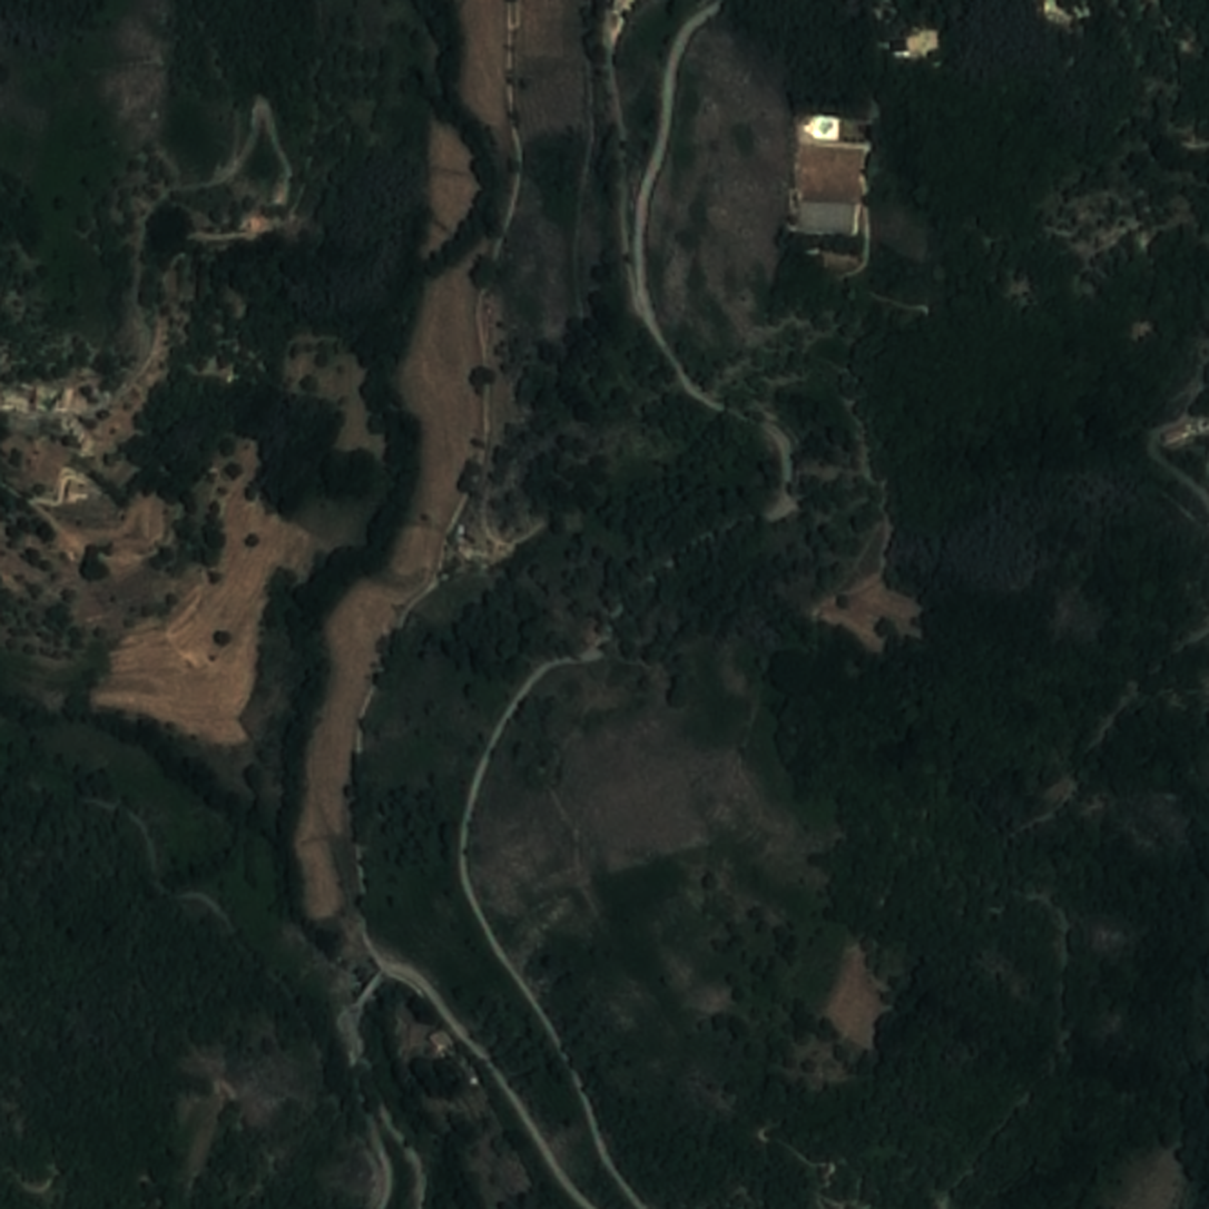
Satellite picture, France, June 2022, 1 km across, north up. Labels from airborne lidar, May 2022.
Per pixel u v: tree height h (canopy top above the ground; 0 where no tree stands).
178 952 14
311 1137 8
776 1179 11
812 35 9
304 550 0
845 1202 6
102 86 0
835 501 12
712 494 16
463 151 0
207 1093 12
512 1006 11
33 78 0
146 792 0
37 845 11
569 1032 12
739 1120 6
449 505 0
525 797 0
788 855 0
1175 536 6
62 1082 11
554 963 15
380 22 0
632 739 0
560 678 0
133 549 0
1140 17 13
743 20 9
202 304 9
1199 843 19
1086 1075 15
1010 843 15
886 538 0
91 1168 17
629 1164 10
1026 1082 18
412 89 13
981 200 16
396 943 0
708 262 0
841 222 0
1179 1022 19
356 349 16
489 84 0
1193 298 7
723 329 0
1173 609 8
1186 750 17
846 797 16
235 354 9
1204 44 16
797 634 12
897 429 14
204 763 13
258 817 17
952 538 18
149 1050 12
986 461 14
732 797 0
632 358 12
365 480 13
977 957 7
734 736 0
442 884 0
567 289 0
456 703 0
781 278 8
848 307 9
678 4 9
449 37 19
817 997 0
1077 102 14
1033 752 17
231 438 11
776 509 0
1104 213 14
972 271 11
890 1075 13
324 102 9
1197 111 15
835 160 0
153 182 9
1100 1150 24
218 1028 10
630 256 7
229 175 0
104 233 12
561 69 0
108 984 10
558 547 0
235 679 0
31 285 12
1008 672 16
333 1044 13
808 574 10
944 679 14
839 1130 10
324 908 0
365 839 9
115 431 6
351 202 20
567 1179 0
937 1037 11
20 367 7
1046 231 10
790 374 8
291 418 26
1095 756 13
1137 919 8
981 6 18
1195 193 12
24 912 15
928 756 22
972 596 14
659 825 0
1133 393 15
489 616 15
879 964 7
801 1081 8
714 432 16
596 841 0
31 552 11
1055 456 24
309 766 0
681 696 11
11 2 10
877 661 11
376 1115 11
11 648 9
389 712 0
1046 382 20
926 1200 10
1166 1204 0
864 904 13
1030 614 13
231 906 10
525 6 0
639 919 0
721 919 0
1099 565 12
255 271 13
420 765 0
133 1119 16
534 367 7
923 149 10
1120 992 11
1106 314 18
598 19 13
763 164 0
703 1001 0
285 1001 13
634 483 11
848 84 10
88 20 9
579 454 9
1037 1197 22
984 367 18
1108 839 10
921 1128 9
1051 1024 11
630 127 0
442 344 0
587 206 0
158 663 0
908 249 0
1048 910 8
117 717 9
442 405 0
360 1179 0
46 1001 12
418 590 0
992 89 12
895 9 10
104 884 11
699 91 0
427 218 10
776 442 0
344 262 16
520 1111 0
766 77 0
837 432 17
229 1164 10
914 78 12
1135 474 13
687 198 0
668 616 6
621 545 0
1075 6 11
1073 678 14
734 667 0
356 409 0
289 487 23
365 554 18
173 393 18
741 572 13
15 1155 9
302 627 20
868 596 0
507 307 0
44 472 0
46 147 0
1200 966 17
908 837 7
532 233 0
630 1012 0
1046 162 21
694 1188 12
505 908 0
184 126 0
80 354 8
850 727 19
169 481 14
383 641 9
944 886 12
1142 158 22
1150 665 13
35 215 13
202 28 10
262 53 13
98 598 0
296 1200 17
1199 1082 20
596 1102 9
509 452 8
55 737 0
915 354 15
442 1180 6
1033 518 20
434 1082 19
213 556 16
